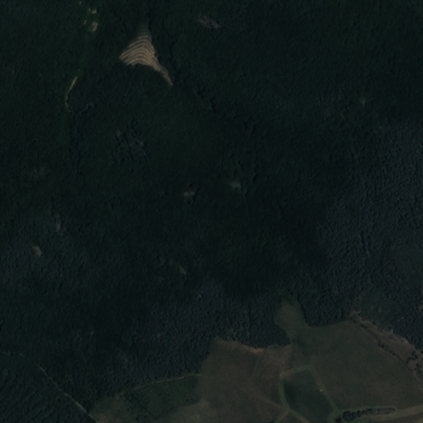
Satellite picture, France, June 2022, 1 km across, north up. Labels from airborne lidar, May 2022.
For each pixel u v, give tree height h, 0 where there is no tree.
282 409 0
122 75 22
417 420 0
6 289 21
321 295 7
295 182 19
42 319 22
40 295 19
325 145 24
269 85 20
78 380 16
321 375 0
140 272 20
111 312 22
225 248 18
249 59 23
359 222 19
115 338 14
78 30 22
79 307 18
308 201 22
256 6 25
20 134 26
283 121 18
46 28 22
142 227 25
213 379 0
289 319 0
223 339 12
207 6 22
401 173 14
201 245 18
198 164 22
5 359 16
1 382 20
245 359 0
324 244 19
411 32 23
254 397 0
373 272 11
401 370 0
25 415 9
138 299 23
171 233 23
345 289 11
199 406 0
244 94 13
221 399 0
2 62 21
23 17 23
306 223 26
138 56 0
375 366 0
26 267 20
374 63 18
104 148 20
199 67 22
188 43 22
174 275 13
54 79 25
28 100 23
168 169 23
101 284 25
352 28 13
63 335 16
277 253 17
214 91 22
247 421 0
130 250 23
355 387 0
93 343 12
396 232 20
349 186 16
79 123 30
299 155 24
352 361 0
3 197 24
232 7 25
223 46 27
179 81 28
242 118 30
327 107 14
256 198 19
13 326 20
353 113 13
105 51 21
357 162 10
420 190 18
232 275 17
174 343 19
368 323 0
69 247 20
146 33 0
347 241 11
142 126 19
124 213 22
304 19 20
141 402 7
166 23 29
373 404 0
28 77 21
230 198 17
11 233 28
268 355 0
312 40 24
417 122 15
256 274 17
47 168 11
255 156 26
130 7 30
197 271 18
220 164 20
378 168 11
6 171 22
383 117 13
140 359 17
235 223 21
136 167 21
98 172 21
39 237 18
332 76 15
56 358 15
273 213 25
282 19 27
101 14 21
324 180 19
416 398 0
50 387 17
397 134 16
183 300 9
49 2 26
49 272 7
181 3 22
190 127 19
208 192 30
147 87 22
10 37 24
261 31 25
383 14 21
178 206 24
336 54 18
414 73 22
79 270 20
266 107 18
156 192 24
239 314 13
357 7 23
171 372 19
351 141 13
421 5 19
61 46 21
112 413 0
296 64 20
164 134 21
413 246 9
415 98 23
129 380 18
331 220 14
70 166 28
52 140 25
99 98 23
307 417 0
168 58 10
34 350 20
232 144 24
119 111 25
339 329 0
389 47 25
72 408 19
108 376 12
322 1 23
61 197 14
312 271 19
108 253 23
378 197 16
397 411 0
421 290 13
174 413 0
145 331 18
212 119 32
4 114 23
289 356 0
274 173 23
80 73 16
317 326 13
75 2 22
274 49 22
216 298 19
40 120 28
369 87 15
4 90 22
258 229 21
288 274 18
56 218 10
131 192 22
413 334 18
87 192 34
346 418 14
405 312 7
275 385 0
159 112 18
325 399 0
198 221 19
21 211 30
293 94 12
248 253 16
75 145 26
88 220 25
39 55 20
